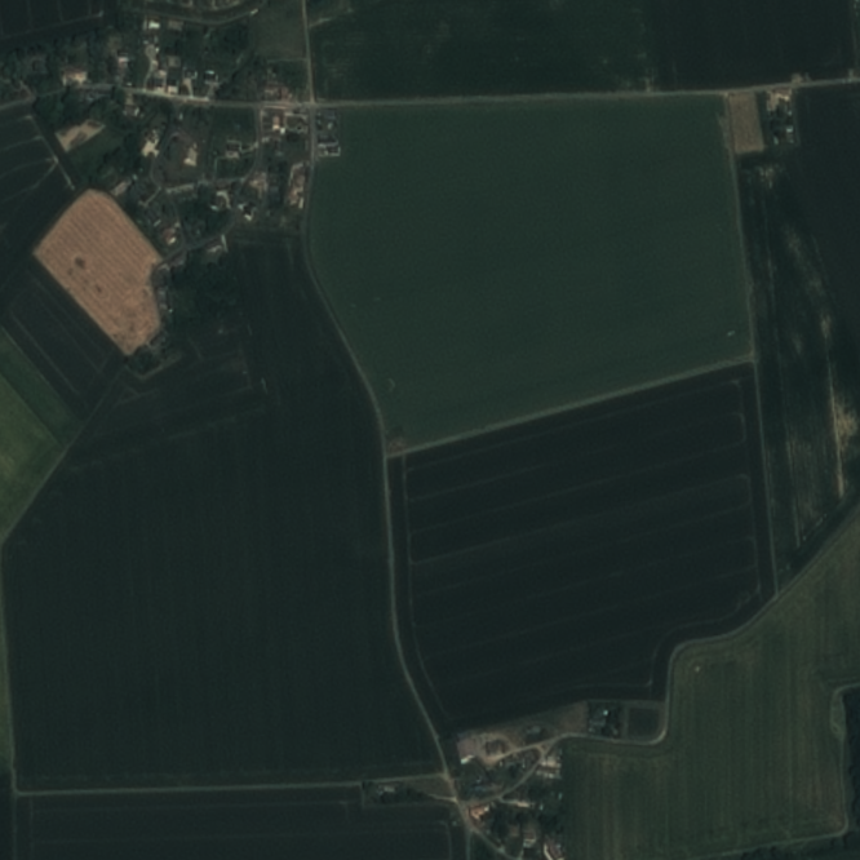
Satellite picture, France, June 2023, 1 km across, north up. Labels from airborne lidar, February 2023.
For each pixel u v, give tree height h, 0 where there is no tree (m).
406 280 0
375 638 0
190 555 0
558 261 0
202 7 0
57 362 0
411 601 0
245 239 0
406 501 0
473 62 0
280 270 0
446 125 0
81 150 0
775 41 0
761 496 0
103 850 0
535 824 0
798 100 0
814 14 0
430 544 0
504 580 0
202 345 0
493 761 0
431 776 0
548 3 0
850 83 0
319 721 0
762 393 0
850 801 0
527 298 0
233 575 0
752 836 0
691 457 0
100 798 0
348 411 0
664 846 0
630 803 0
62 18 0
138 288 0
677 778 0
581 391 0
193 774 0
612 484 0
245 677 0
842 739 0
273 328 0
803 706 0
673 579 0
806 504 0
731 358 0
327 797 0
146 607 0
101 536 0
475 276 0
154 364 7
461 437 0
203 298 6
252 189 0
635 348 0
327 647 0
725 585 0
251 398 0
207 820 0
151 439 0
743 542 0
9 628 0
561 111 0
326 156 0
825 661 0
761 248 0
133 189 14
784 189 0
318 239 0
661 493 0
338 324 0
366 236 0
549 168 0
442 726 0
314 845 0
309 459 0
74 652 0
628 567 0
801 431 0
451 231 0
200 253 8
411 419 0
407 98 0
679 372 0
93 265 0
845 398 0
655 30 0
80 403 0
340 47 0
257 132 0
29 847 0
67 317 0
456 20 0
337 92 0
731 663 0
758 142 0
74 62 7
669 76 0
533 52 0
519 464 0
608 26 0
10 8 0
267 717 0
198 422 0
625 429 0
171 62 0
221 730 0
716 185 0
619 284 0
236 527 0
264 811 0
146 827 0
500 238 0
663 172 0
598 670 0
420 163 0
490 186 0
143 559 0
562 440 0
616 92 0
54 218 0
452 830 0
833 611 0
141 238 0
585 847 0
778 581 0
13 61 10
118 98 13
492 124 0
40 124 0
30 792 0
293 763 0
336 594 0
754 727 0
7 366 0
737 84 0
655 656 0
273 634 0
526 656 0
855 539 0
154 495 0
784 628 0
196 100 0
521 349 0
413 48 0
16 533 0
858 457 0
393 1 0
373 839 0
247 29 8
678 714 0
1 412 0
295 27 0
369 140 0
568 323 0
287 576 0
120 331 0
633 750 0
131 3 0
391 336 0
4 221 0
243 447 0
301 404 0
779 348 0
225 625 0
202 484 0
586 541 0
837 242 0
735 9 0
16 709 0
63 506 0
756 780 0
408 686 0
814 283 0
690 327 0
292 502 0
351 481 0
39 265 0
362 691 0
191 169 0
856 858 0
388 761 0
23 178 0
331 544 0
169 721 0
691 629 0
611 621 0
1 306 0
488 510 0
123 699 0
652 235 0
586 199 0
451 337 0
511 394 0
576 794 0
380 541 0
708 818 0
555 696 0
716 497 0
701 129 0
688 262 0
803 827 0
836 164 0
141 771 0
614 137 0
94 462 0
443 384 0
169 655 0
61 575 0
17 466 0
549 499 0
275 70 8
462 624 0
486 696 0
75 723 0
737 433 0
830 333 0
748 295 0
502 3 0
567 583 0
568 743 0
